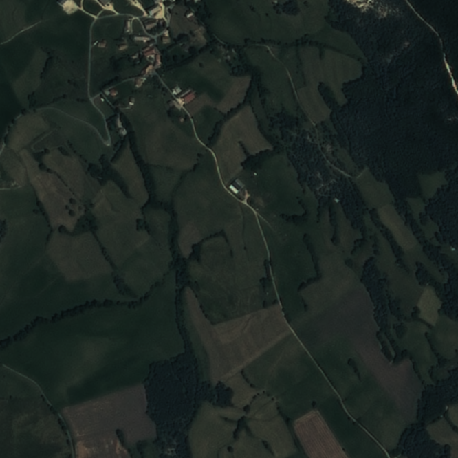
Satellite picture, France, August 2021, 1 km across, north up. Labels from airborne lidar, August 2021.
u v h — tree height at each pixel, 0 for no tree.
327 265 0
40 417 0
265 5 0
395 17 7
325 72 0
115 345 0
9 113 0
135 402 0
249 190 0
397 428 0
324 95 15
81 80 0
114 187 0
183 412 11
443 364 13
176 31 0
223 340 0
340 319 0
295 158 9
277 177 0
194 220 0
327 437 0
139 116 0
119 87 0
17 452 0
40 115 0
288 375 0
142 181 0
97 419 0
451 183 9
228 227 0
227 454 0
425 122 15
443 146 12
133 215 0
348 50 0
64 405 0
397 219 0
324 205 11
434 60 17
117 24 0
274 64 0
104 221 0
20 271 0
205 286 0
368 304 0
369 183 0
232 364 0
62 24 0
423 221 11
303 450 0
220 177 0
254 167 6
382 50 9
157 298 0
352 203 14
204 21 12
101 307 13
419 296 0
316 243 0
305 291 0
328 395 0
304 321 0
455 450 0
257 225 0
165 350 0
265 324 0
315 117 0
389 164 13
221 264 0
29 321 0
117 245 0
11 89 0
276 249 0
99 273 0
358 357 0
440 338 0
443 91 14
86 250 0
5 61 0
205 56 0
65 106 0
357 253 6
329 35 0
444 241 8
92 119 0
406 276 0
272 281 7
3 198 0
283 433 0
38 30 0
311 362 0
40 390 0
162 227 0
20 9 0
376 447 0
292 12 13
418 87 15
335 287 0
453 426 7
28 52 0
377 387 0
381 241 0
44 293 0
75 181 0
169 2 14
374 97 15
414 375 0
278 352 0
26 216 0
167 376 11
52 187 0
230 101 0
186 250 0
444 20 16
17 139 0
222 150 0
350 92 14
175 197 0
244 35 0
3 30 0
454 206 16
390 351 8
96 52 0
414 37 8
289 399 0
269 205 0
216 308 0
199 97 0
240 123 0
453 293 15
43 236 0
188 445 13
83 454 0
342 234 0
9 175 0
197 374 8
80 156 8
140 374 0
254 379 0
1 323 0
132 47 0
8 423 0
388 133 18
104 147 0
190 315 0
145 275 0
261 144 0
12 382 0
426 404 8
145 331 0
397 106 11
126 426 0
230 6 0
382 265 0
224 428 0
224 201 0
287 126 10
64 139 0
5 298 0
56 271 0
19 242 0
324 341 0
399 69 15
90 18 0
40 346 0
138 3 0
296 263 0
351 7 7
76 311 14
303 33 0
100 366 0
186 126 0
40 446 0
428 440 17
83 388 0
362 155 9
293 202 0
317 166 8
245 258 0
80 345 0
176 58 14
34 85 0
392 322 0
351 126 6
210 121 0
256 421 0
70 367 0
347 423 0
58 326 0
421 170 15
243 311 0
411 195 12
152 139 0
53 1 0
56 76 0
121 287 9
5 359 0
